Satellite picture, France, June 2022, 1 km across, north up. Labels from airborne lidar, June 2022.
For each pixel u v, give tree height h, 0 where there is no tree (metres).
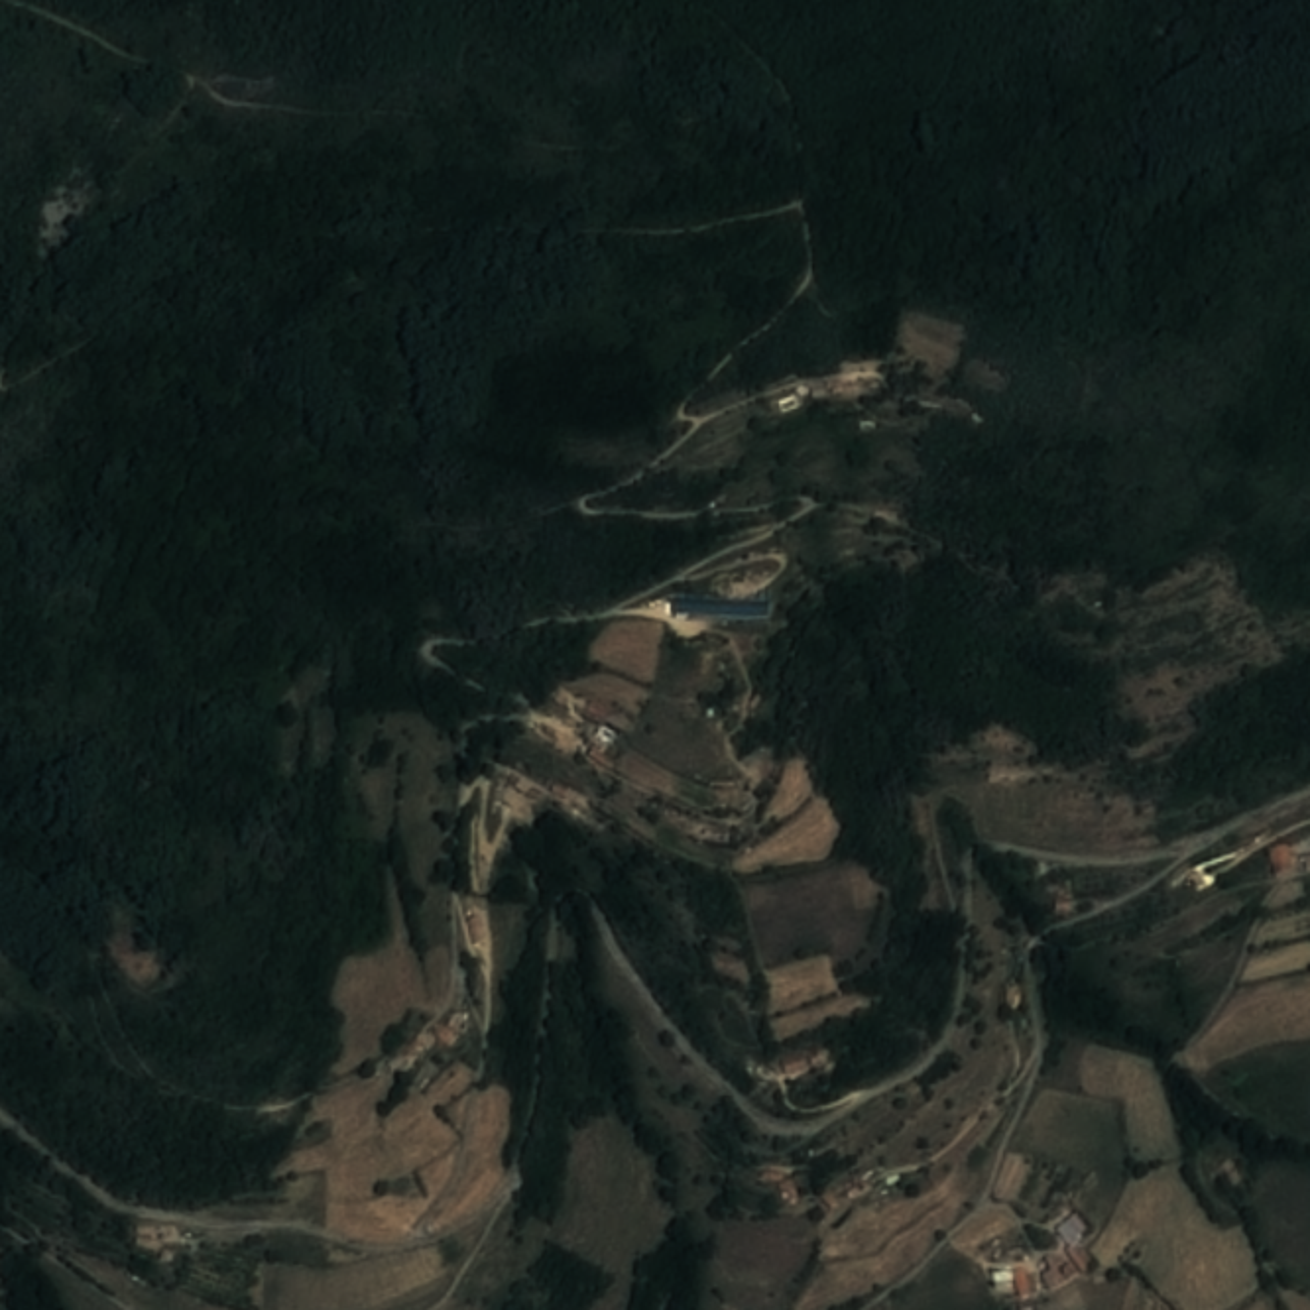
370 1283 0
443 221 8
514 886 11
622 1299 0
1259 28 28
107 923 26
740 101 28
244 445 11
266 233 12
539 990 8
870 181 11
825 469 0
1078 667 16
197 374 12
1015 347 8
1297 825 0
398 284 12
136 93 24
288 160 8
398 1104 8
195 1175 7
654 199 9
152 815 9
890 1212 0
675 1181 8
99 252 27
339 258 9
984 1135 0
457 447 14
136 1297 0
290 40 9
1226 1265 0
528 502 7
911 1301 0
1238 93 33
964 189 14
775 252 7
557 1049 17
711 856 0
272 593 14
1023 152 18
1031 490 6
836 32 7
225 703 16
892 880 13
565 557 9
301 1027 7
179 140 8
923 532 11
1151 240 9
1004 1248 0
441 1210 0
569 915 16
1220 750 15
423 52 7
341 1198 0
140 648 9
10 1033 8
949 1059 7
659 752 0
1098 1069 0
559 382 9
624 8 9
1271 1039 0
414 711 7
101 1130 7
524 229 17
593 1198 0
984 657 8
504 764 13
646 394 9
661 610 0
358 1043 0
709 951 11
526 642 16
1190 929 0
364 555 18
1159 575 9
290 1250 0
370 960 0
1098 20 15
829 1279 0
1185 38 19
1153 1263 0
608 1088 9
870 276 9
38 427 6
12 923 30
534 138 0
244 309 25
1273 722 15
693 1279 19
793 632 12
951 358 0
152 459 17
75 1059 7
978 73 8
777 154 18
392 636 14
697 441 0
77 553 20
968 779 0
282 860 15
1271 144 11
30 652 10
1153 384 0
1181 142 30
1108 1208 0
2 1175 10
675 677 0
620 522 8
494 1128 0
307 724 7
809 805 0
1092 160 17
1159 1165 10
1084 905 6
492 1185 0
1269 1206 0
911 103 10
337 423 30
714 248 8
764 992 6
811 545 0
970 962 8
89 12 8
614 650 0
